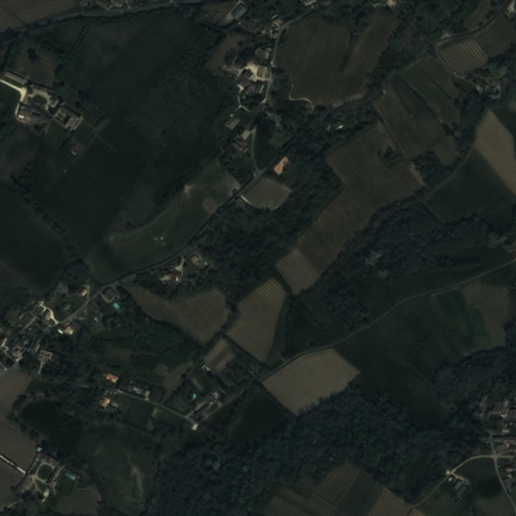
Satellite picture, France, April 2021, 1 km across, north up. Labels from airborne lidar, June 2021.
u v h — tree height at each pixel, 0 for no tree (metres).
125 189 0
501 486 0
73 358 20
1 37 0
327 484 0
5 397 0
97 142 0
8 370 0
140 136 0
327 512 0
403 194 0
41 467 0
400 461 15
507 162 0
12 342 9
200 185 0
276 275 0
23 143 0
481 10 0
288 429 20
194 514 22
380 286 0
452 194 0
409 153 0
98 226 0
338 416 22
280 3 7
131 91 0
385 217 17
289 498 0
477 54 0
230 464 11
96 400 22
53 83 0
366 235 17
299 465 14
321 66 0
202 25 6
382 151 0
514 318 0
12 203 0
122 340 6
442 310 0
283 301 0
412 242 21
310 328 0
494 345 0
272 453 20
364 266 22
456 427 12
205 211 0
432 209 0
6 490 0
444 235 14
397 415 10
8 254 0
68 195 0
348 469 0
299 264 0
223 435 18
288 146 6
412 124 0
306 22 0
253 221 24
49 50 16
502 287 0
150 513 25
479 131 0
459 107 15
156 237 0
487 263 0
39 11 0
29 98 0
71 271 13
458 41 0
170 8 8
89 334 15
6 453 0
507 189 0
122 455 0
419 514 0
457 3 11
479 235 20
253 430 0
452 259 9
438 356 0
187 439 0
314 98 0
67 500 0
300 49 0
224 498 14
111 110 0
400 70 21
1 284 0
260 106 15
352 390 17
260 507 6
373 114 7
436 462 10
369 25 17
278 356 0
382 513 0
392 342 0
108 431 0
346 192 0
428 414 0
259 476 18
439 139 0
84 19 9
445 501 0
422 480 0
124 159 0
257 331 0
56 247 0
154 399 0
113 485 0
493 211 0
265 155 0
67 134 9
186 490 21
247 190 0
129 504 0
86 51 0
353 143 0
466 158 15
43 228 0
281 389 0
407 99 0
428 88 0
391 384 0
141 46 0
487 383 11
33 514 28
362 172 0
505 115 0
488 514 0
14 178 0
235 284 16
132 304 14
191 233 0
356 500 0
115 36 0
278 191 0
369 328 0
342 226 0
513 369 9
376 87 18
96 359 0
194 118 0
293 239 17
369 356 0
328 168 7
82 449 0
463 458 11
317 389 0
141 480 0
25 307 8
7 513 11
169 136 0
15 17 0
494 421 13
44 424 0
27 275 0
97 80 0
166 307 0
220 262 17
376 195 0
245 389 12
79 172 0
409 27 15
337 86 0
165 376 0
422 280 0
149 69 0
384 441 17
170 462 13
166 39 0
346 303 24
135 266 0
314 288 9
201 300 0
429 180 12
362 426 25
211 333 0
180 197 0
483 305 0
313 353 0
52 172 0
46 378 13
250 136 0
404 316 0
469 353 0
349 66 0
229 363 10
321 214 14
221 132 0
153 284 9
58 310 10
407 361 0
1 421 0
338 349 0
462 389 16
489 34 0
